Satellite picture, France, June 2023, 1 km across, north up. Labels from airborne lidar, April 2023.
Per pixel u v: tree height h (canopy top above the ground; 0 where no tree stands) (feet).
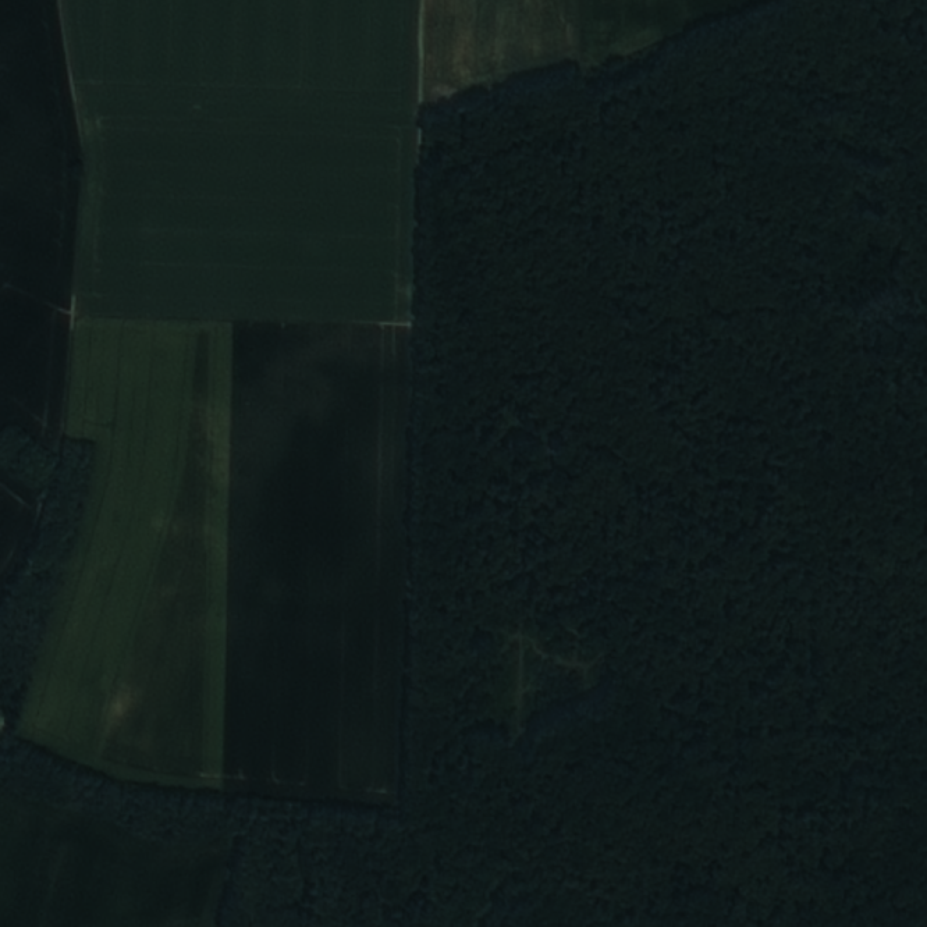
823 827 79
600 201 73
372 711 0
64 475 52
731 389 70
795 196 74
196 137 0
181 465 0
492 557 71
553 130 60
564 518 65
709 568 75
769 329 69
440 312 74
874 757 75
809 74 69
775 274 72
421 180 56
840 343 66
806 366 65
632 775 91
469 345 73
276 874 81
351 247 0
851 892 82
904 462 76
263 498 0
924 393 69
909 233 77
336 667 0
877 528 72
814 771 73
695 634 73
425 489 70
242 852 71
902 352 87
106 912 0
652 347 74
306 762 0
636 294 80
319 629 0
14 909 0
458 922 85
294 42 0
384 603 0
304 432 0
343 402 0
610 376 72
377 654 0
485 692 73
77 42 0
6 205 0
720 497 72
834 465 81
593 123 76
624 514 79
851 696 79
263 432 0
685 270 72
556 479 76
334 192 0
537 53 0
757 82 80
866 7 73
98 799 56
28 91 0
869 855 88
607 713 88
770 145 76
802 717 73
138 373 0
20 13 0
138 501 0
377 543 0
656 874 75
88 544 0
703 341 60
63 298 0
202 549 0
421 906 95
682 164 75
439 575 76
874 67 70
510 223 74
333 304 0
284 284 0
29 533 0
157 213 0
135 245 0
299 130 0
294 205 0
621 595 87
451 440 87
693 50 72
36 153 0
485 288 84
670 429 75
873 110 70
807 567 70
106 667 0
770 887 74
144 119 0
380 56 0
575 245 70
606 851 78
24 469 46
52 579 50
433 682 75
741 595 72
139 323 0
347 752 0
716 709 82
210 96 0
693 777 84
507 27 0
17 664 68
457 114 57
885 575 55
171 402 0
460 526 72
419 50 0
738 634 65
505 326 70
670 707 73
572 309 79
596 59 0
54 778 63
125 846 0
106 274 0
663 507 73
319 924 70
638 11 0
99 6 0
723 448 68
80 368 0
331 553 0
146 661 0
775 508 70
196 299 0
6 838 0
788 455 71
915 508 71
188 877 0
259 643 0
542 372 79
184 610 0
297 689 0
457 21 0
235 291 0
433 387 71
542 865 82
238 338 0
